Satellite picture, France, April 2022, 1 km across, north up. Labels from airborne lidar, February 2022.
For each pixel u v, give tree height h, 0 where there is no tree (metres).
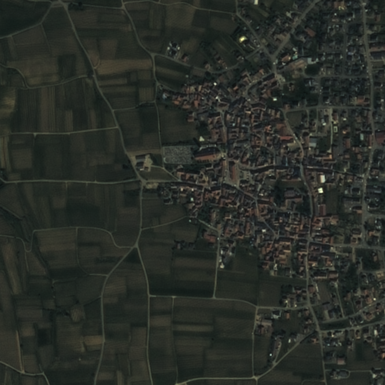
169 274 0
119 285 0
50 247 0
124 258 0
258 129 0
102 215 0
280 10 0
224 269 0
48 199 0
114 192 0
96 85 0
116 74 0
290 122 0
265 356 0
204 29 0
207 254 0
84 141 0
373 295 0
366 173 0
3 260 0
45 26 0
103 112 0
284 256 0
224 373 0
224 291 0
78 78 0
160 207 0
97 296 0
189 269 0
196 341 0
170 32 0
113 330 0
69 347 0
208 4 0
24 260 0
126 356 0
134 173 7
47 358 0
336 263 11
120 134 0
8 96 0
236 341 0
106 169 0
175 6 0
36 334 0
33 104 0
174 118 0
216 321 0
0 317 0
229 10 0
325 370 0
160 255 0
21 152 0
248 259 0
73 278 0
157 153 0
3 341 0
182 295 0
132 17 0
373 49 0
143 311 0
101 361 0
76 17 0
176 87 0
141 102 0
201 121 5
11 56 0
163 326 0
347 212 0
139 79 0
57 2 0
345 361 9
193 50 0
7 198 0
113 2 0
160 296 0
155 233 0
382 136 0
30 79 0
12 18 0
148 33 0
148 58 0
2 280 0
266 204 0
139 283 0
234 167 0
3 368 0
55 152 0
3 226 0
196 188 0
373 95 0
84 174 0
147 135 0
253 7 0
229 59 0
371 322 0
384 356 0
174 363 0
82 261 0
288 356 0
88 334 0
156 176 0
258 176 0
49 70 0
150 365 0
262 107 0
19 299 0
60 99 0
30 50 0
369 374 0
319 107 0
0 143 0
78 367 0
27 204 0
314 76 0
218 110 0
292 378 0
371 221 0
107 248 0
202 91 0
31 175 0
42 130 0
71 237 0
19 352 0
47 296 0
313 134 0
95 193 0
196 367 0
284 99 13
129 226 0
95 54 0
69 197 0
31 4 0
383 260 0
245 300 0
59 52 0
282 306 11
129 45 0
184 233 0
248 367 0
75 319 0
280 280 0
